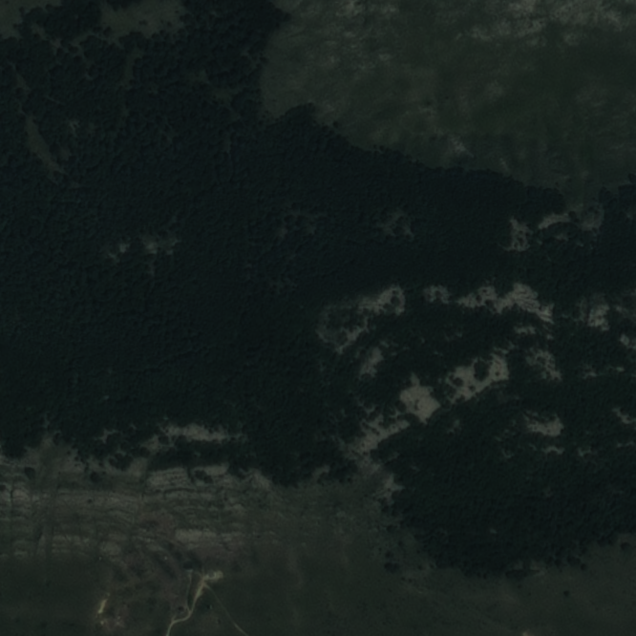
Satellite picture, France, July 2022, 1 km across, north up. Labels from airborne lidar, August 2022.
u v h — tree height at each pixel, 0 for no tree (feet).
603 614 0
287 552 0
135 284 55
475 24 0
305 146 61
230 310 51
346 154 36
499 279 23
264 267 33
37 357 46
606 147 0
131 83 29
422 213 53
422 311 31
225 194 50
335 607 0
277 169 44
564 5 0
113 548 0
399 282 19
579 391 45
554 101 0
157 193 55
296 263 25
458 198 58
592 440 28
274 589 0
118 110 54
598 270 33
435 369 37
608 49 0
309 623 0
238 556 0
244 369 56
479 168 0
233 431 27
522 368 46
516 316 18
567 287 36
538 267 54
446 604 0
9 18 0
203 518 0
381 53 0
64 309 48
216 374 50
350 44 0
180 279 45
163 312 42
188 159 63
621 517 34
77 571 0
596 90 0
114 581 0
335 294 26
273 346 70
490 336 46
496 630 0
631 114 0
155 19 0
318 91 0
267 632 0
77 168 63
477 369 41
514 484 41
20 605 0
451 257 61
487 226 48
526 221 31
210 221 61
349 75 0
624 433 26
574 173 0
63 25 30
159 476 0
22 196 58
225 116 70
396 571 32
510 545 56
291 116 29
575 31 0
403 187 52
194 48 52
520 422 26
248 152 62
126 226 37
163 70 60
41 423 39
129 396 39
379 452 20
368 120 0
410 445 41
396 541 0
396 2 0
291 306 42
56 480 0
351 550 0
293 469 22
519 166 0
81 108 45
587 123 0
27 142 53
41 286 68
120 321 52
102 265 31
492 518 24
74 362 39
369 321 25
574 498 57
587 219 0
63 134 33
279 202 37
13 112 45
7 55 30
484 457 56
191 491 0
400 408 40
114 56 42
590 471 35
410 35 0
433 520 42
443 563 29
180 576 0
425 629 0
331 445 30
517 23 0
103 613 0
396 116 0
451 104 0
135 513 0
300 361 77
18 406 51
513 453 39
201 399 44
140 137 50
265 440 45
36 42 37
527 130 0
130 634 0
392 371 29
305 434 48
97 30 23
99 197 64
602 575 0
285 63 0
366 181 54
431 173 50
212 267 39
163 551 0
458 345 49
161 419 23
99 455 36
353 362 22
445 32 0
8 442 49
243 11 72
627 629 0
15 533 0
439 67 0
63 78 41
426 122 0
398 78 0
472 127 0
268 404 46
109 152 66
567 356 47
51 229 60
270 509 0
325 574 0
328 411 24
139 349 54
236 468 33
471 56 0
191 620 0
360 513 0
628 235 31
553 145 0
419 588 0
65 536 0
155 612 0
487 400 21
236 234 37
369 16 0
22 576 0
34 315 53
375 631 0
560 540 51
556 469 37
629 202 28
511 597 0
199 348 38
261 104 21
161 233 23
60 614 0
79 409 38
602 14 0
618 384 47
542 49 0
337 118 0
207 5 64
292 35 0
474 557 50
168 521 0
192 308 35
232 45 59
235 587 0
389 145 0
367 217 38
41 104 46
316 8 0
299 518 0
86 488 0
